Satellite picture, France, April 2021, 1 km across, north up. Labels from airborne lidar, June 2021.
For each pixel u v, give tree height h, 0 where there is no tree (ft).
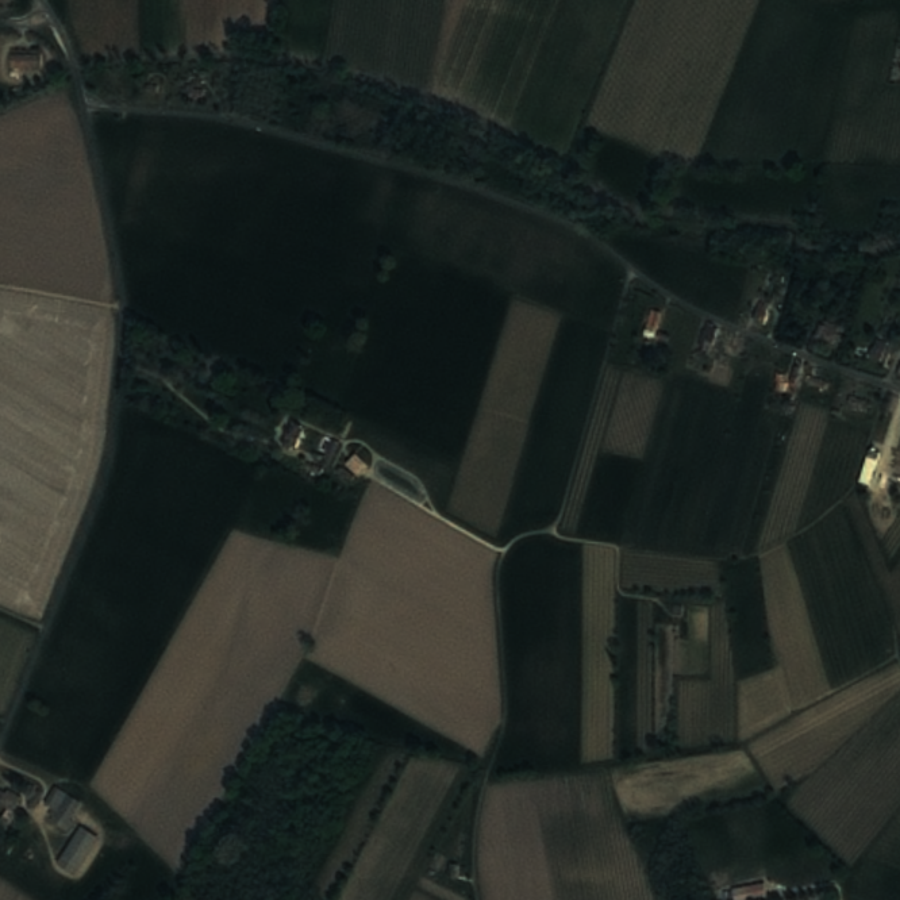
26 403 0
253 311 0
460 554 0
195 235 0
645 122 0
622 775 0
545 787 0
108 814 0
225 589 0
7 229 0
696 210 50
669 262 0
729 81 0
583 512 0
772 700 0
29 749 0
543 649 0
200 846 80
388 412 0
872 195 0
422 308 0
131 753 0
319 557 0
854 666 0
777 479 0
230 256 0
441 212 0
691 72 0
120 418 0
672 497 0
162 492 0
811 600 0
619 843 0
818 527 0
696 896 24
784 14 0
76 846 0
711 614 0
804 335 44
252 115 68
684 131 0
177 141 0
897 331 44
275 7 56
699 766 0
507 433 0
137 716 0
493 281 0
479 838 0
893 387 0
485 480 0
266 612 0
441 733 0
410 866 0
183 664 0
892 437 0
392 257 62
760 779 0
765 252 80
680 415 0
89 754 0
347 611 0
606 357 0
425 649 0
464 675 0
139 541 0
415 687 0
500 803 0
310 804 77
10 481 0
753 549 0
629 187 0
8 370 0
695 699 0
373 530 0
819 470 0
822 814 0
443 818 0
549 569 0
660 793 0
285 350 0
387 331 0
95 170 0
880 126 0
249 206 0
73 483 0
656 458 0
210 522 0
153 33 0
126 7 0
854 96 0
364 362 0
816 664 0
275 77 89
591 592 0
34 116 0
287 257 0
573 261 0
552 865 0
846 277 19
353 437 0
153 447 0
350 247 0
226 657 0
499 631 0
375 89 52
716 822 0
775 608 0
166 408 46
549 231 0
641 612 0
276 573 0
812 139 0
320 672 0
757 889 0
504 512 0
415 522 0
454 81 0
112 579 0
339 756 78
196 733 0
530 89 0
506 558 0
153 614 0
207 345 0
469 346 0
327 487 34
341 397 0
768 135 0
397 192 0
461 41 0
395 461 0
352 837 0
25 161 0
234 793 66
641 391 0
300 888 69
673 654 0
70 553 0
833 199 0
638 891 0
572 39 0
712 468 0
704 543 0
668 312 0
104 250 0
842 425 0
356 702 0
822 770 0
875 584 0
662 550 0
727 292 0
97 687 0
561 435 0
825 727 0
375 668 0
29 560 0
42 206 0
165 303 0
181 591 0
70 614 0
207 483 0
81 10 0
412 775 0
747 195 0
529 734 0
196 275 0
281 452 54
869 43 0
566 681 0
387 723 0
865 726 0
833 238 40
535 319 0
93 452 0
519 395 0
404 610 0
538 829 0
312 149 0
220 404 22
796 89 0
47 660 0
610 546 0
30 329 0
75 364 0
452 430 0
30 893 0
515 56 0
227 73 54
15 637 0
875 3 0
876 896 0
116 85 0
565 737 0
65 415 0
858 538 0
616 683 27
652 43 0
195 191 0
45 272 0
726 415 0
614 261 0
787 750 0
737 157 0
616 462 0
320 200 0
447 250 0
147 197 0
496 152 62
